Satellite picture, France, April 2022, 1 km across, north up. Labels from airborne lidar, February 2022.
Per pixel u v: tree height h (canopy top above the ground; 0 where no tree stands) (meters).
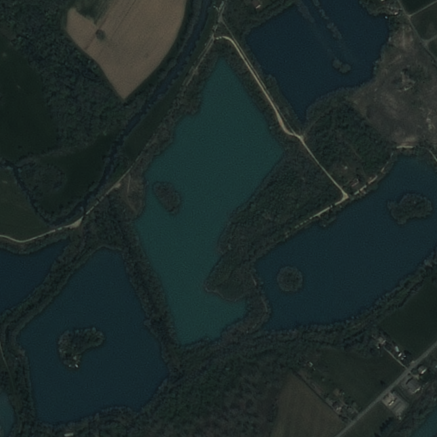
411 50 0
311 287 0
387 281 0
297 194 13
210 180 0
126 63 0
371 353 14
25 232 0
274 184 13
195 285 0
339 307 0
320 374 0
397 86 0
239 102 0
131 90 0
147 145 0
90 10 0
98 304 0
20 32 24
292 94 0
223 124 0
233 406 29
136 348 0
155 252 0
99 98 28
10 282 0
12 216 0
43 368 0
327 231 0
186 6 0
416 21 0
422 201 19
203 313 0
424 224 0
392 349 10
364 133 23
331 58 0
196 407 18
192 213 0
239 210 6
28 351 0
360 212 0
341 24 0
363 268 0
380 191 0
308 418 0
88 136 25
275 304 0
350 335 17
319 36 0
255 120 0
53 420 0
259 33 0
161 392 17
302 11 0
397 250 0
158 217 0
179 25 0
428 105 0
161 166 0
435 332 0
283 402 0
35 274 0
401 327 0
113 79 0
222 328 0
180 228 0
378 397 0
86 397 0
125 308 0
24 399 6
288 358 26
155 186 11
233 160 0
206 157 0
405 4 0
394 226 0
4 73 0
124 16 0
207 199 0
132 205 0
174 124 6
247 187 0
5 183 0
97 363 0
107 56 0
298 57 0
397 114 0
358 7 0
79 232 0
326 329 17
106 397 0
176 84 0
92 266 0
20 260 0
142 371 0
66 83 27
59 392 0
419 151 15
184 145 0
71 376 0
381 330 15
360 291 0
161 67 0
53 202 0
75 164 0
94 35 0
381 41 0
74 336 7
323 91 0
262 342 19
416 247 0
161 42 0
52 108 12
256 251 13
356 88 15
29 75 0
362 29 0
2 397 0
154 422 29
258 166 0
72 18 0
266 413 0
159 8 0
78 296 0
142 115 6
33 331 0
